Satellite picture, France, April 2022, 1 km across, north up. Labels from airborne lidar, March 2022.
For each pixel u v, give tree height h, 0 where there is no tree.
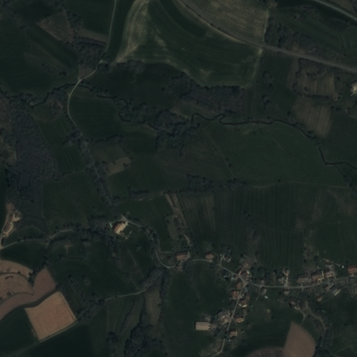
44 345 0
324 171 0
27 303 0
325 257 0
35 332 0
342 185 0
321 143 12
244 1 0
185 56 0
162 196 0
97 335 0
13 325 0
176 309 0
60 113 11
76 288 11
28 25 0
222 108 16
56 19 0
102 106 0
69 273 0
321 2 0
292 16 0
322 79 0
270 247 0
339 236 0
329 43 0
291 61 0
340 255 0
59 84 0
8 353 0
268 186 0
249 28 0
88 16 0
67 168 0
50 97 17
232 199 0
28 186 22
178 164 0
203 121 0
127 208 0
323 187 0
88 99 0
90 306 11
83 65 14
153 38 0
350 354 0
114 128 0
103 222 19
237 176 0
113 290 0
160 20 0
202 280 0
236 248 0
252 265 0
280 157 0
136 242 0
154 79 0
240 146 0
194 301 0
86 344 0
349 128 0
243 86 0
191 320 0
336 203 0
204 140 0
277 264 0
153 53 0
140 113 18
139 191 0
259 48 0
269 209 0
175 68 0
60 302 0
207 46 0
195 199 0
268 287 0
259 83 9
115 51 0
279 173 0
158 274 22
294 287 0
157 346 17
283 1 0
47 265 14
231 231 0
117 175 0
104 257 0
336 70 16
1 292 0
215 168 0
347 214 0
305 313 0
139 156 0
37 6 0
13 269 0
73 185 0
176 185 0
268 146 0
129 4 0
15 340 0
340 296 0
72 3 0
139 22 0
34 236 0
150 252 0
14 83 0
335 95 0
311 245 0
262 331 0
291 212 0
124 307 0
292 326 0
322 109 0
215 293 0
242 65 0
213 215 0
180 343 0
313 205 0
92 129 0
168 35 0
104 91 12
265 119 0
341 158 0
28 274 0
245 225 0
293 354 0
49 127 0
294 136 0
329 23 0
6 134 10
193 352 0
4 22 0
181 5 0
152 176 0
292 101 0
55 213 0
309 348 0
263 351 0
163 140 18
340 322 0
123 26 0
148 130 0
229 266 0
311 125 0
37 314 0
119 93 0
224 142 0
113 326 0
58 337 0
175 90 0
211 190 15
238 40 0
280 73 0
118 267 17
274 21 19
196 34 0
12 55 0
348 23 13
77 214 0
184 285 0
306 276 0
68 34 0
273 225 0
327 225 0
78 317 10
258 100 0
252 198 0
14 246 0
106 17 0
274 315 0
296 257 0
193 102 25
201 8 0
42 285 0
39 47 0
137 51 0
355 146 0
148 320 18
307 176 0
